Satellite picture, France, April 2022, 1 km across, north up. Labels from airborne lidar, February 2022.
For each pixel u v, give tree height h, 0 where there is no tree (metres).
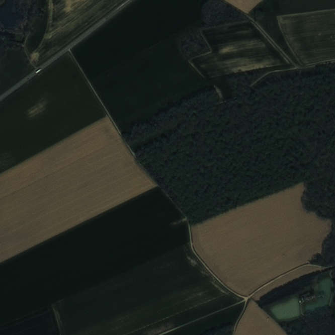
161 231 0
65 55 0
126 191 0
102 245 0
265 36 0
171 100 0
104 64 0
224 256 0
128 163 0
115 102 0
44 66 0
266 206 0
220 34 0
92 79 0
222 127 21
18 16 0
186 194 26
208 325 0
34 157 0
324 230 0
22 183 0
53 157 0
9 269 0
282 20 0
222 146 25
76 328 0
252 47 0
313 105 22
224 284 0
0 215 0
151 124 20
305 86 26
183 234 0
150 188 0
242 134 26
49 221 0
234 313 0
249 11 0
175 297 0
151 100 0
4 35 17
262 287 0
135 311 0
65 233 0
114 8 0
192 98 20
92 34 0
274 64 0
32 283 0
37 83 0
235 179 21
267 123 25
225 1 18
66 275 0
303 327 13
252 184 27
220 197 26
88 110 0
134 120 0
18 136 0
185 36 0
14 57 0
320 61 0
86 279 0
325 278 0
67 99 0
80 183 0
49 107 0
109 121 0
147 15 0
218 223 0
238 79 24
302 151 26
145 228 0
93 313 0
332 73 28
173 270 0
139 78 0
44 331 0
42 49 0
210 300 0
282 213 0
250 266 0
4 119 0
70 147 0
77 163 0
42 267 0
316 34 0
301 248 0
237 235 0
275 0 0
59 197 0
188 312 0
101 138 0
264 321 0
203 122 24
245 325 0
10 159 0
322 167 22
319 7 0
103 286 0
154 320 0
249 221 0
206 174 24
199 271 0
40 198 0
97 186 0
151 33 0
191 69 0
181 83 0
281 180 26
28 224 0
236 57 0
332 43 0
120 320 0
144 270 0
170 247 0
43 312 0
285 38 0
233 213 0
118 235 0
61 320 0
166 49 0
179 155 22
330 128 27
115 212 0
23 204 0
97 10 0
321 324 28
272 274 0
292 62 0
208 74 0
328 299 0
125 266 0
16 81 0
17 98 0
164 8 0
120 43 0
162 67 0
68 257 0
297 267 0
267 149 21
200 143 31
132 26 0
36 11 11
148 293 0
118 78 0
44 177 0
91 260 0
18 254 0
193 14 0
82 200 0
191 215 24
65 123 0
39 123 0
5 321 0
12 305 0
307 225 0
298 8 0
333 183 22
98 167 0
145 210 0
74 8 0
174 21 0
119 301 0
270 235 0
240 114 27
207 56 0
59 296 0
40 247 0
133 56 0
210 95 21
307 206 21
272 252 0
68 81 0
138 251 0
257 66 0
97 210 0
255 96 22
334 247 27
